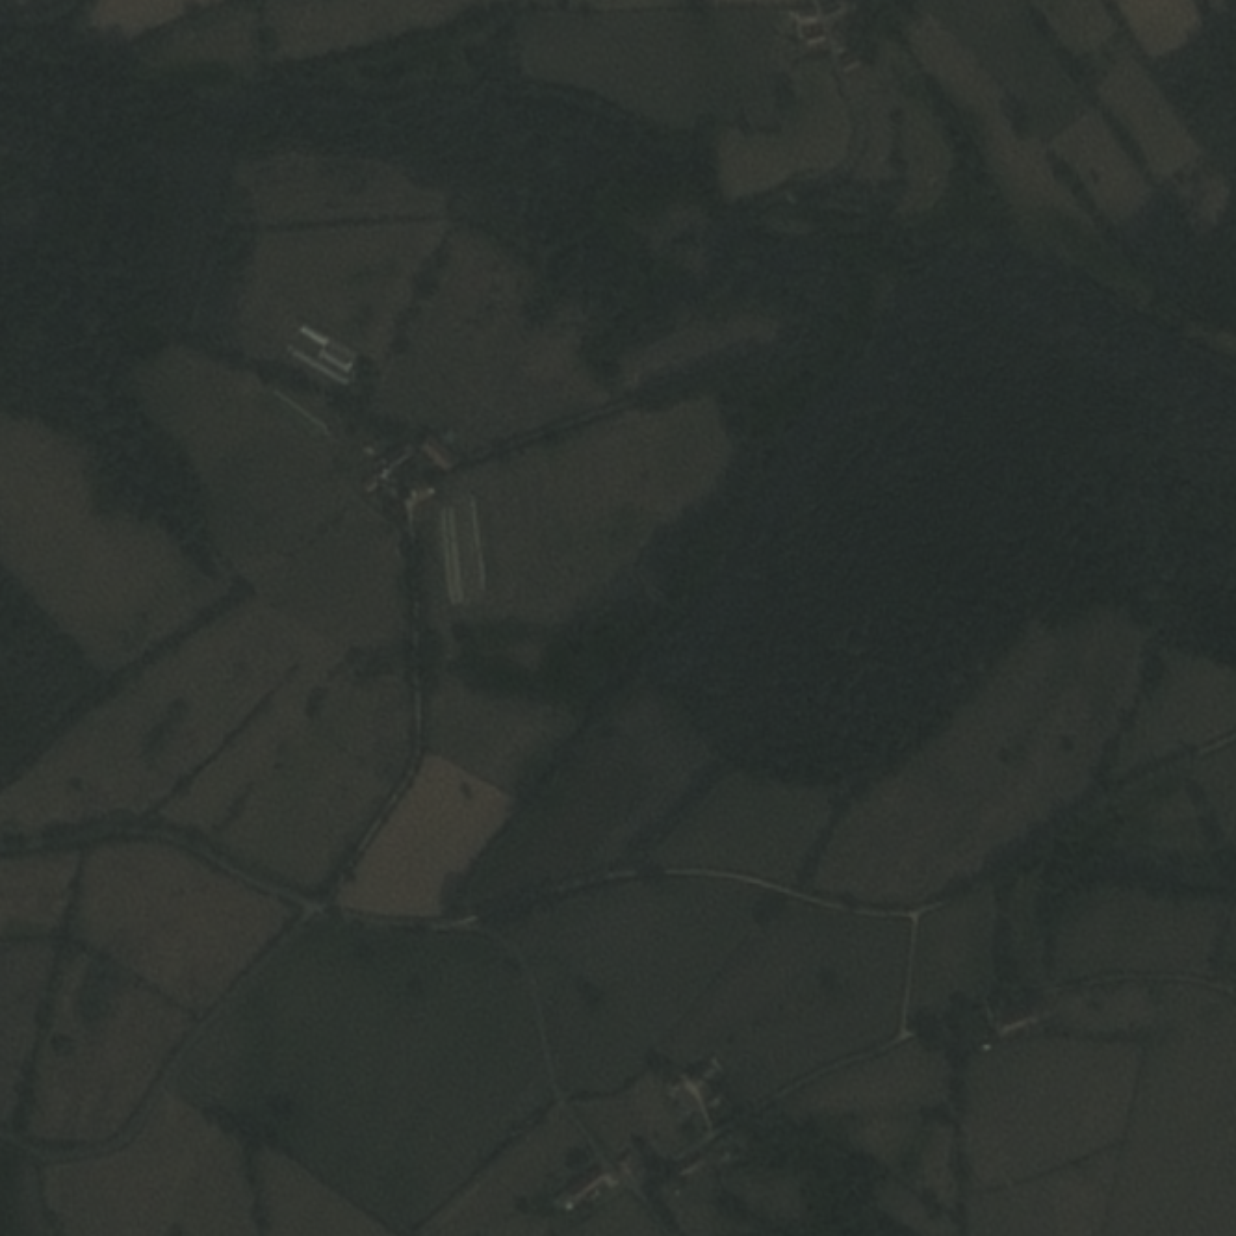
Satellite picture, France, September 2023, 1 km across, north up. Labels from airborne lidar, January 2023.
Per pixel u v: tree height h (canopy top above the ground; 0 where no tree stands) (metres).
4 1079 0
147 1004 0
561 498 0
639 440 0
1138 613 22
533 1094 0
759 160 0
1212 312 17
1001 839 0
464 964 0
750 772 14
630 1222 0
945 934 0
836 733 19
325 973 0
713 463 0
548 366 0
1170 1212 0
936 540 24
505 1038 0
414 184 0
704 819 0
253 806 0
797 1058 0
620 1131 0
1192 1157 0
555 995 0
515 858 0
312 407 0
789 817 0
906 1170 0
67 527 0
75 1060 0
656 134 13
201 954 0
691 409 0
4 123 0
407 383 0
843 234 0
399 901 0
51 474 0
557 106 18
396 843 0
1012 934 13
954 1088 15
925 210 0
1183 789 0
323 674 0
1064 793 0
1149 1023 0
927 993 0
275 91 9
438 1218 0
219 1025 0
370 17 0
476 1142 0
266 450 0
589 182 15
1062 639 0
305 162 0
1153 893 17
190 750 0
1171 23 0
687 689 20
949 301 20
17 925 0
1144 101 0
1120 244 7
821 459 27
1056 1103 0
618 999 0
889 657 24
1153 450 27
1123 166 0
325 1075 0
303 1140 0
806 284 17
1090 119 0
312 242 0
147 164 16
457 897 16
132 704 0
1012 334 26
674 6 0
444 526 0
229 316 0
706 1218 0
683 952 0
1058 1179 0
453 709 0
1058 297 9
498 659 0
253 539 0
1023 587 22
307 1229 0
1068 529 17
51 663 5
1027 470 25
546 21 0
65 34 20
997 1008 10
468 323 0
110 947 0
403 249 0
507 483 0
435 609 0
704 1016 0
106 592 0
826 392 0
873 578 26
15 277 21
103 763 0
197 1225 0
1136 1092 0
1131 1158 0
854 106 0
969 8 0
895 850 0
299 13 0
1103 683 0
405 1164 0
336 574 0
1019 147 0
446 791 0
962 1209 10
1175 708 0
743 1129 6
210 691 0
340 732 0
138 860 0
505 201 7
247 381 0
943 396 26
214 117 16
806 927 0
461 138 12
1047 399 25
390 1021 0
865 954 0
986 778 0
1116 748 12
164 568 0
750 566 26
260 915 0
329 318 0
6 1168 0
